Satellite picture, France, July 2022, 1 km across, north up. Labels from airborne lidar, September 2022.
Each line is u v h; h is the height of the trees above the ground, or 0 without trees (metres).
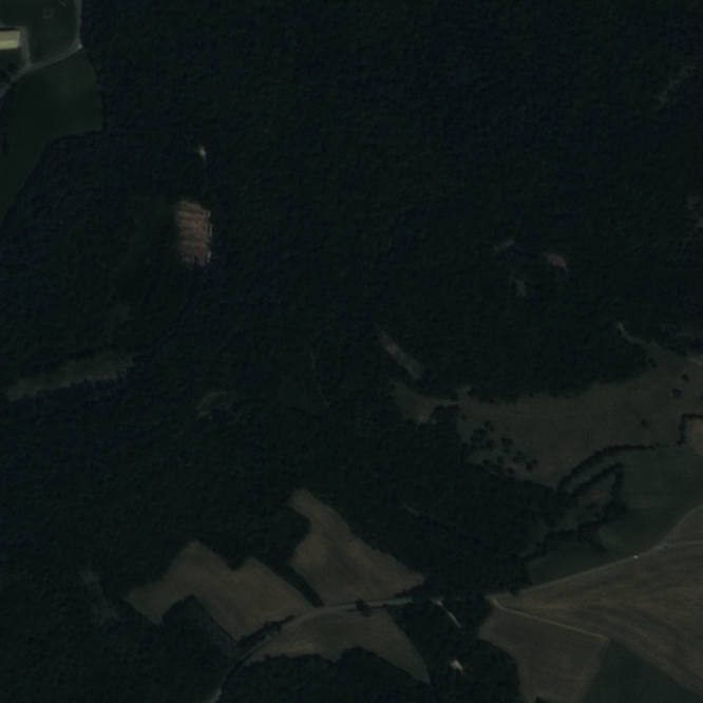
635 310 15
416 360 13
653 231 7
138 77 19
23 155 0
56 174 16
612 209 15
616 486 7
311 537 0
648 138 17
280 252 21
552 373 14
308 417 14
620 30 14
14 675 11
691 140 18
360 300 17
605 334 9
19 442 16
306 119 15
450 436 11
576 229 20
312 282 18
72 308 16
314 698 14
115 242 16
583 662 0
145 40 9
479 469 12
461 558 14
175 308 12
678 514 0
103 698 19
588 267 15
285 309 14
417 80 21
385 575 0
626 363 12
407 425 12
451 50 10
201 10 15
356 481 15
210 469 11
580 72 15
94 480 9
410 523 13
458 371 11
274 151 11
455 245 15
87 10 14
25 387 0
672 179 13
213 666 15
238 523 9
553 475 0
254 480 16
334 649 0
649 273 16
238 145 10
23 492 10
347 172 12
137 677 10
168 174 16
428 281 15
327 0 16
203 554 0
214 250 21
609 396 0
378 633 0
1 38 0
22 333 8
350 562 0
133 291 7
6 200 0
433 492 9
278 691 9
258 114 6
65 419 22
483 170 17
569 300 18
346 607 0
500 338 16
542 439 0
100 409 23
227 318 13
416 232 18
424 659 13
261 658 0
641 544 0
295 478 18
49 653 9
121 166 22
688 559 0
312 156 22
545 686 0
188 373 12
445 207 17
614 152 16
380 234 9
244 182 14
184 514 11
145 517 11
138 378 17
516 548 8
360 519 14
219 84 12
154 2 14
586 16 15
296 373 14
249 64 12
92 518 11
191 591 0
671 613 0
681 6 16
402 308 13
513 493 13
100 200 16
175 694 9
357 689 25
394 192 9
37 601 17
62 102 0
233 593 0
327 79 20
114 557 11
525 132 19
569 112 18
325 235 17
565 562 0
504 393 9
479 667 11
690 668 0
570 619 0
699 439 0
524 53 16
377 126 14
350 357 19
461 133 12
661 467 0
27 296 17
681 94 12
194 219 0
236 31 12
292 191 13
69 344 14
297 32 16
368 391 8
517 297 16
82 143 19
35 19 0
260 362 14
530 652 0
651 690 0
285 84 10
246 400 14
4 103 12
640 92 12
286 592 0
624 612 0
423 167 15
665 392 0
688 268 17
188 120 17
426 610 16
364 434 16
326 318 14
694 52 22
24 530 14
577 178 16
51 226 17
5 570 19
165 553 15
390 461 10
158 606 0
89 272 15
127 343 8
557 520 9
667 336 14
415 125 18
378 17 10
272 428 13
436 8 14
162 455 9
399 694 16
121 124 26
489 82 9
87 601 15
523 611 0
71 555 17
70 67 0
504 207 15
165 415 16
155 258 7
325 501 14
